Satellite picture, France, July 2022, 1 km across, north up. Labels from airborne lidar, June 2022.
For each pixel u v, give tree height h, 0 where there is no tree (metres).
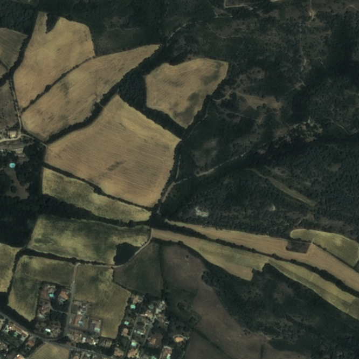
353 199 9
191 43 11
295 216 0
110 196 11
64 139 0
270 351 0
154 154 0
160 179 0
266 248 0
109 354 11
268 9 8
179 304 11
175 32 8
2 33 0
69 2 6
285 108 8
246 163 13
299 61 8
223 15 9
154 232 0
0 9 11
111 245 0
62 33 0
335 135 9
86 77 0
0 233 13
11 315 10
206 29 8
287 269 0
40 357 0
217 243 7
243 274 0
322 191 9
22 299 0
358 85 6
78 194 0
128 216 0
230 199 6
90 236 0
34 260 0
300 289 12
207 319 0
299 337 10
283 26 8
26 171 10
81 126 6
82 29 0
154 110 7
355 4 0
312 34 8
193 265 0
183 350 11
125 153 0
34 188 16
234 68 10
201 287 0
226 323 0
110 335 0
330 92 7
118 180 0
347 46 7
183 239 0
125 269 0
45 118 0
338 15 9
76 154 0
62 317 14
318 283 0
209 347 0
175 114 0
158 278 0
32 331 8
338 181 17
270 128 6
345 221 7
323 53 7
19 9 14
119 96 6
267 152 11
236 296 9
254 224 8
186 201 8
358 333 6
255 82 10
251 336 0
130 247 11
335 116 8
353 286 0
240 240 0
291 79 6
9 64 0
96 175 0
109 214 0
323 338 10
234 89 6
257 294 7
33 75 0
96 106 13
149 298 11
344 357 17
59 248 0
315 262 0
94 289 0
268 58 13
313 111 9
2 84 9
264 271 11
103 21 6
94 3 9
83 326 0
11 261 0
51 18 11
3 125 0
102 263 7
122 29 10
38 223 0
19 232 17
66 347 0
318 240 0
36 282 0
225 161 9
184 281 0
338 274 0
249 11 6
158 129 0
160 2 6
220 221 7
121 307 0
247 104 0
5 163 13
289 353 0
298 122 11
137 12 10
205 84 0
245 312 7
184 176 9
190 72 0
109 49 6
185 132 7
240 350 0
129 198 0
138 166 0
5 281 0
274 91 6
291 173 9
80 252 0
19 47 0
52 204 24
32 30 14
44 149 8
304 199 0
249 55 12
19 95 0
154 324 14
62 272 0
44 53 0
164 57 8
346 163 10
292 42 12
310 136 7
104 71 0
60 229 0
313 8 0
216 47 6
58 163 0
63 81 0
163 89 0
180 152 6
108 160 0
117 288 0
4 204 20
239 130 10
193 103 0
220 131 9
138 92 16
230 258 0
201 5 8
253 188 10
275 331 8
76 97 0
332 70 12
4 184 21
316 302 12
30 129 0
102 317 0
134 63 0
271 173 7
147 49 0
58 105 0
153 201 0
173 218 10
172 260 0
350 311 0
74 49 0
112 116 0
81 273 0
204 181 7
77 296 0
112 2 9
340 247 0
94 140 0
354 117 9
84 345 12
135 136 0
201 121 6
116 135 0
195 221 15
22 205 25
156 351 11
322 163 8
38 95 6
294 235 0
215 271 7
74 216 16
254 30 7
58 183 0
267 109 7
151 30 8
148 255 0
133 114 0
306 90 9
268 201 10
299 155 8
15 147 0
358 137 10
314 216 8
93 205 0
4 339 14
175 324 9
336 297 0
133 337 8
